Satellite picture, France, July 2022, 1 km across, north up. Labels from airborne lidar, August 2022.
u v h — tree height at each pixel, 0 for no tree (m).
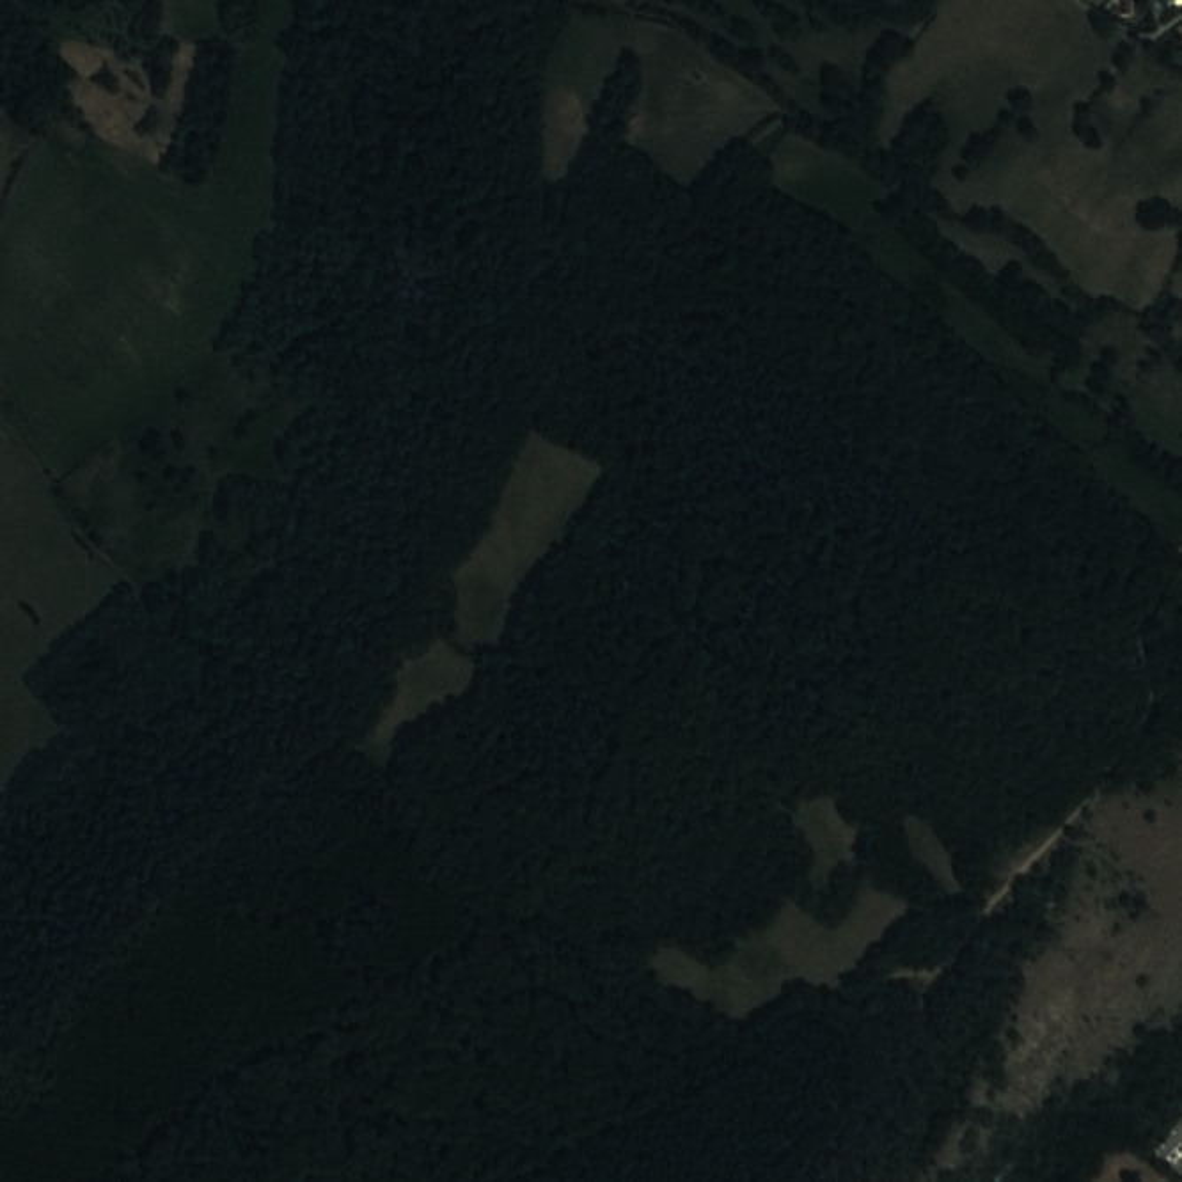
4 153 0
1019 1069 0
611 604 28
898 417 24
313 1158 21
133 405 0
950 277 22
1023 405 15
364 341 22
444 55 19
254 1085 22
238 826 18
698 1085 20
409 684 0
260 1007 13
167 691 21
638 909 21
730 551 20
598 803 20
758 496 29
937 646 19
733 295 14
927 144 18
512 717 26
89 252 0
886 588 23
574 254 19
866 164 17
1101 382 20
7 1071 16
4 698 0
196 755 25
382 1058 24
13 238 0
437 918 13
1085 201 0
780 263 24
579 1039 26
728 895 25
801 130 15
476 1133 19
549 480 0
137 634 16
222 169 0
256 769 25
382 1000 24
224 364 0
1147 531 19
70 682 19
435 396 21
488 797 19
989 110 0
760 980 0
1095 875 9
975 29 0
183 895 10
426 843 19
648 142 0
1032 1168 11
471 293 23
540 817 17
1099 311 16
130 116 0
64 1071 11
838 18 15
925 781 17
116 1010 12
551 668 24
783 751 22
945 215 18
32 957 33
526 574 0
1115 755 15
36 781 25
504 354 20
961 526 23
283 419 0
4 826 26
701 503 21
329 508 22
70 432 0
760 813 16
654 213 22
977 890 18
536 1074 25
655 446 28
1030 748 13
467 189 29
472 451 23
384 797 17
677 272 22
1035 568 20
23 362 0
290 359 15
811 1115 18
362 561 26
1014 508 21
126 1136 9
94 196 0
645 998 21
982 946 18
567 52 0
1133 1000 0
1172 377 0
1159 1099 15
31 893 30
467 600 0
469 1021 24
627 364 24
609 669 23
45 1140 13
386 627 22
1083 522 21
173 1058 13
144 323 0
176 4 0
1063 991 0
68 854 24
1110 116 0
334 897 15
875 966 15
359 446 21
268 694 28
